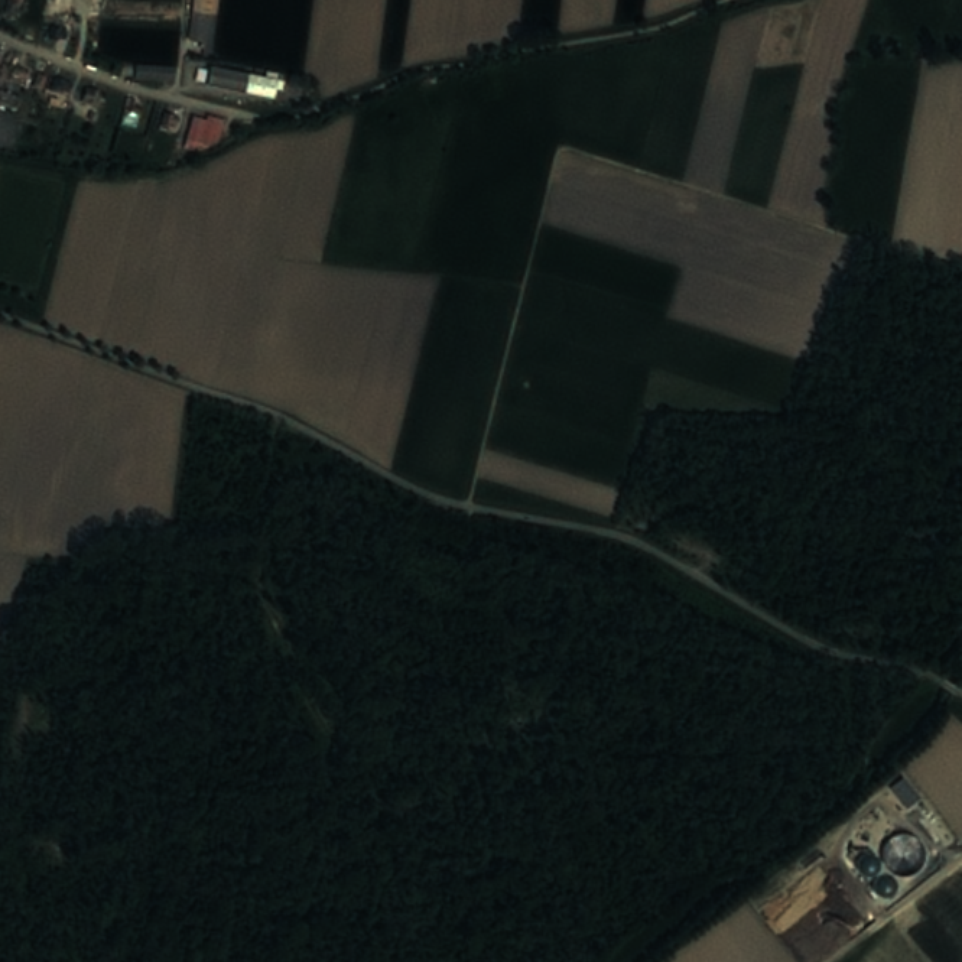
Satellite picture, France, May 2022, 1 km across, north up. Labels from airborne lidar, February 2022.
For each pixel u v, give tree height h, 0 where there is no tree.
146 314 0
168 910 18
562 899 8
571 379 0
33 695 27
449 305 0
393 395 0
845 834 0
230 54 0
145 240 0
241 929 12
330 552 29
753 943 0
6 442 0
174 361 0
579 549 8
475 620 9
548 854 26
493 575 13
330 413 0
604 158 0
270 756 18
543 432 0
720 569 35
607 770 16
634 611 27
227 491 7
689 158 0
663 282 0
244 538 32
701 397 0
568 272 0
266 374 0
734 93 0
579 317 0
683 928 13
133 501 0
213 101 0
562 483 0
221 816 24
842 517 9
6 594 0
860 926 0
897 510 24
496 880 21
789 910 0
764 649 20
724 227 0
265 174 0
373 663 24
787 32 0
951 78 0
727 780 19
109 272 0
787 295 0
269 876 25
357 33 0
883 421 23
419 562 18
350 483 21
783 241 0
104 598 11
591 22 0
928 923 0
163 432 0
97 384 0
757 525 27
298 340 0
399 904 17
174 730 34
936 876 0
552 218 0
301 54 0
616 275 0
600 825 7
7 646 18
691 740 28
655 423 29
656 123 0
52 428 0
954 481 20
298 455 0
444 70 7
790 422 17
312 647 28
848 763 20
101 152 0
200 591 24
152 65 0
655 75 0
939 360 27
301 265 0
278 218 0
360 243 0
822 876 0
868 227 0
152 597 19
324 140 0
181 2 0
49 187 0
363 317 0
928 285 24
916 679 17
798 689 22
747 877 15
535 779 20
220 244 0
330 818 25
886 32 0
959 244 0
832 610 8
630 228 0
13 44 0
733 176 0
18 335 0
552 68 0
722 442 10
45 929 23
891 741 0
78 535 0
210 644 22
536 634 29
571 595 29
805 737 23
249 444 9
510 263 0
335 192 0
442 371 0
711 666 25
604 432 0
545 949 24
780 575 23
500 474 0
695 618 26
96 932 23
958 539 17
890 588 23
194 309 0
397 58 0
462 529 8
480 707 29
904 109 0
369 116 0
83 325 0
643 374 0
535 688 23
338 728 33
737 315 0
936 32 0
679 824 7
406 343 0
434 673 8
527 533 10
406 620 6
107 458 0
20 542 0
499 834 25
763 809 9
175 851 21
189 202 0
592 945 7
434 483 0
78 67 0
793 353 0
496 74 0
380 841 5
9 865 22
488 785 16
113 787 26
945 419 8
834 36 0
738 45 0
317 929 26
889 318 19
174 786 18
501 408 0
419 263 0
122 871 26
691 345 0
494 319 0
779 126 0
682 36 0
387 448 0
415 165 0
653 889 16
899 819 0
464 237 0
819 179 0
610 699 28
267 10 0
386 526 22
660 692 17
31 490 0
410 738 24
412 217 0
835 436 19
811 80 0
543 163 0
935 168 0
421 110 0
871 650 15
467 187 0
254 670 20
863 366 24
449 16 0
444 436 0
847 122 0
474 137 0
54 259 0
